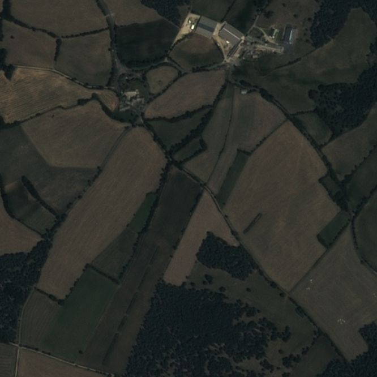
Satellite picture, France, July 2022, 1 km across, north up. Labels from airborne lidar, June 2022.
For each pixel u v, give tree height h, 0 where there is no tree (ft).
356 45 0
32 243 0
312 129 0
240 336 44
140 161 0
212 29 0
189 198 0
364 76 52
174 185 0
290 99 0
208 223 0
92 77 0
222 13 0
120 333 0
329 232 0
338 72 0
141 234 47
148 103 25
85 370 0
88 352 0
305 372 0
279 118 0
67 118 0
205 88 0
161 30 0
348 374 60
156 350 56
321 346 0
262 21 0
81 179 0
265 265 0
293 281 0
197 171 0
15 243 0
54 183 0
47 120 0
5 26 0
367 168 0
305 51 0
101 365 0
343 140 0
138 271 0
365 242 0
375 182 0
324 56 0
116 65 0
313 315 0
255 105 0
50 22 0
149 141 0
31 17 0
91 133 0
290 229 0
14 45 0
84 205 0
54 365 0
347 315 0
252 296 0
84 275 0
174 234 0
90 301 0
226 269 55
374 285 0
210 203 0
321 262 0
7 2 54
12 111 0
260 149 0
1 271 58
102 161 0
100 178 0
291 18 0
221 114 0
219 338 60
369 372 64
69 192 0
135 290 0
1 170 0
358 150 0
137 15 0
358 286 0
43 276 0
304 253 0
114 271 0
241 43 0
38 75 0
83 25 0
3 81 0
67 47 0
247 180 0
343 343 0
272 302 0
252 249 0
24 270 53
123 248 0
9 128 35
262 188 0
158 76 0
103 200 0
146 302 0
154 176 0
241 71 0
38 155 0
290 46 0
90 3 0
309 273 0
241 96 0
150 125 46
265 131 0
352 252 0
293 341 0
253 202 0
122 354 0
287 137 0
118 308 0
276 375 0
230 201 0
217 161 0
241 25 0
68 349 0
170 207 0
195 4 0
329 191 32
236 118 0
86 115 0
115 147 0
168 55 26
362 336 25
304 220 0
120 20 0
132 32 0
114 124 0
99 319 0
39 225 0
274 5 0
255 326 38
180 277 0
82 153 0
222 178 0
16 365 0
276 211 0
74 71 0
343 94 33
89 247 0
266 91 69
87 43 0
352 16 0
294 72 0
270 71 0
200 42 0
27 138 0
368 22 0
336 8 70
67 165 0
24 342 0
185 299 48
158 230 0
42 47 0
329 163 38
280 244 0
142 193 0
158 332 46
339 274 0
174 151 61
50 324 0
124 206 0
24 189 0
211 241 68
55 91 0
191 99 0
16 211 0
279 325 0
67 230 0
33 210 0
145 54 0
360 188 0
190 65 0
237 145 0
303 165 0
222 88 23
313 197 0
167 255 0
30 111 0
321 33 56
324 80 0
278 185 0
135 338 0
